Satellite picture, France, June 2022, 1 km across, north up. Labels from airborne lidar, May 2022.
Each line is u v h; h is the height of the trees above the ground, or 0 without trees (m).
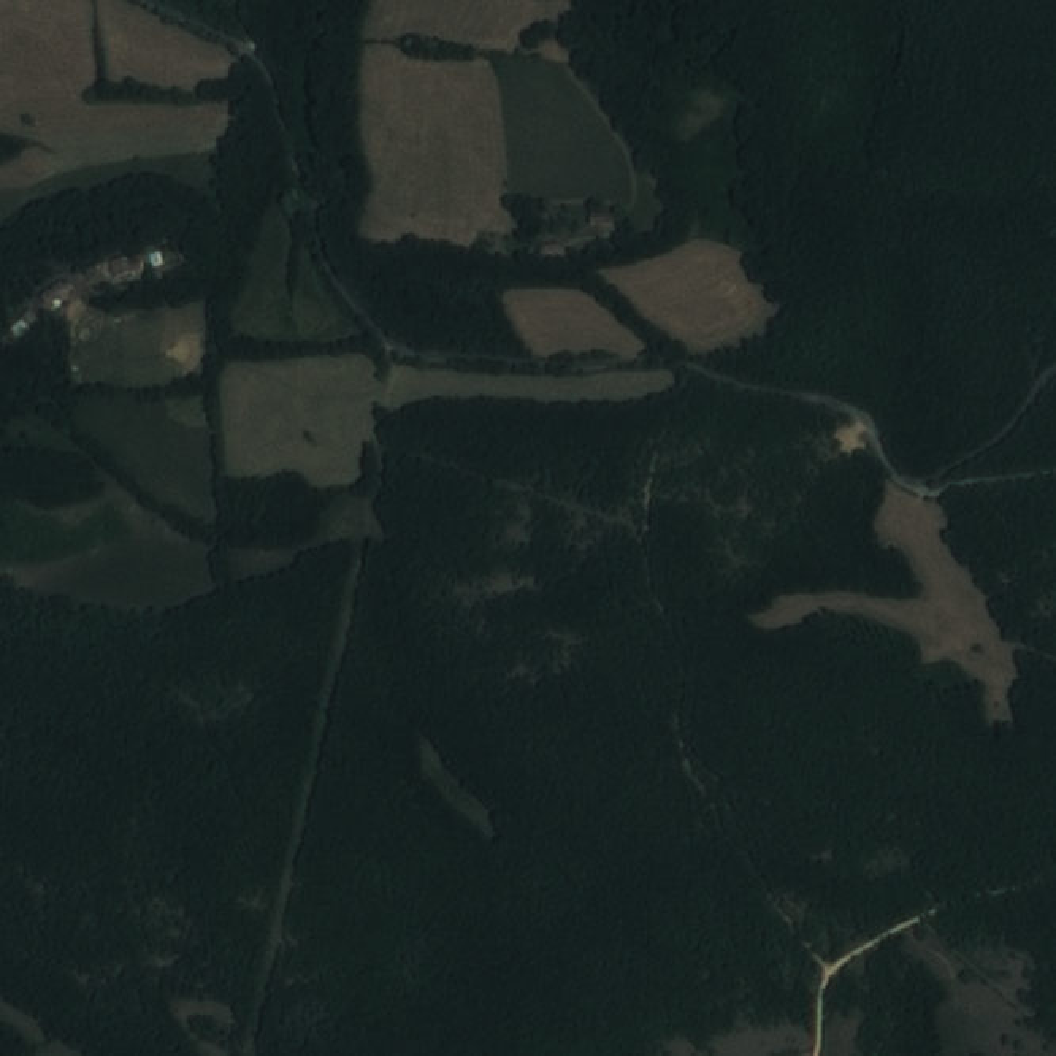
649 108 11
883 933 8
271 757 15
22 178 0
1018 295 7
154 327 0
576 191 0
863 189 16
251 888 7
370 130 0
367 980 10
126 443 0
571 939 11
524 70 0
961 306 7
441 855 12
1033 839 10
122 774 12
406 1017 12
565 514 7
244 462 0
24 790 10
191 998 11
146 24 0
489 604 9
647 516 7
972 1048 0
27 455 14
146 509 9
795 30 16
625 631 8
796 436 7
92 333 0
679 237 15
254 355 14
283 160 19
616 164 0
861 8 11
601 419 15
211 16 8
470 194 0
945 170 10
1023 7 11
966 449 11
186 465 0
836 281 13
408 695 13
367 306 8
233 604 14
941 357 11
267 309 0
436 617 8
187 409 0
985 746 18
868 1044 7
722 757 12
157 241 13
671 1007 8
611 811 10
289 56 18
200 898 7
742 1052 0
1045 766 12
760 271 19
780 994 10
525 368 11
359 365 0
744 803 9
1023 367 9
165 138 0
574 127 0
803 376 10
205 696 7
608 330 0
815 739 10
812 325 10
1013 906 15
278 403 0
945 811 12
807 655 14
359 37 20
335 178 25
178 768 12
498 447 13
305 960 7
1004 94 12
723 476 6
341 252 14
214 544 13
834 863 6
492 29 0
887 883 10
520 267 14
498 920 15
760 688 13
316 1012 14
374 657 9
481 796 14
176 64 0
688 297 0
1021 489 10
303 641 6
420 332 11
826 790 11
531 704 10
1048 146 10
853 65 8
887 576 17
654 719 7
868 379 10
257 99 16
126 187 12
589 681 9
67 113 0
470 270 14
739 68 21
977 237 15
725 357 14
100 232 13
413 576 10
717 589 9
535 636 6
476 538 9
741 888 12
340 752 10
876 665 12
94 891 8
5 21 0
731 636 16
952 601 0
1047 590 9
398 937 11
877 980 10
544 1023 11
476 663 11
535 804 12
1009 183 9
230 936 9
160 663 11
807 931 8
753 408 11
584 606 15
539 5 0
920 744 11
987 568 11
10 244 17
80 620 6
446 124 0
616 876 11
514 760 9
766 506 6
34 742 12
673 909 10
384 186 0
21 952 6
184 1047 13
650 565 9
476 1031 19
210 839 13
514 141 0
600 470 10
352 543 13
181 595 0
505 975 15
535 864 12
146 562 0
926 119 13
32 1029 0
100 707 10
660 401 12
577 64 14
